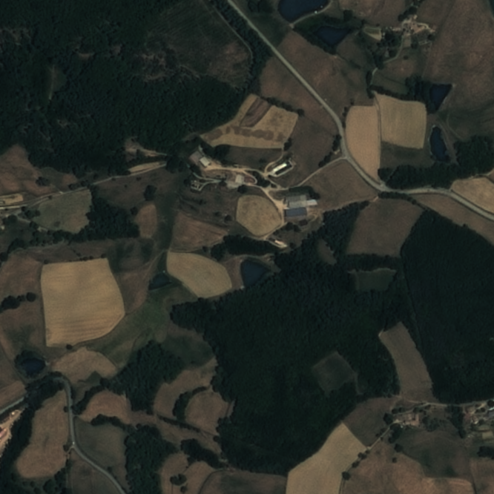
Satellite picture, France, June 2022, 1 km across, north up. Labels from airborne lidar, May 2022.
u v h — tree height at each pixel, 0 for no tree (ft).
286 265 43
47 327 0
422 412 25
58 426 0
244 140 0
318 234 33
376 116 0
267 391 45
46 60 29
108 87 70
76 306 0
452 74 0
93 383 0
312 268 60
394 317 33
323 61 0
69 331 0
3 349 0
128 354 0
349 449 0
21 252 0
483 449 59
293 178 0
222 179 26
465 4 0
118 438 0
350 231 58
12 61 61
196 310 75
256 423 30
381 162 0
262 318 62
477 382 53
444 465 0
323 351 46
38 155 51
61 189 0
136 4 85
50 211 0
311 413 40
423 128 0
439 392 39
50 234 35
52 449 0
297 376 49
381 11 0
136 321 0
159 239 0
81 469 0
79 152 71
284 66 0
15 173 0
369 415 0
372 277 0
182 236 0
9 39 52
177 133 63
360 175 0
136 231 47
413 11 42
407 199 34
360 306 73
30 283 0
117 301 0
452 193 0
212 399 0
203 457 68
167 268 0
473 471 0
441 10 0
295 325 69
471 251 51
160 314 0
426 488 0
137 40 72
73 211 0
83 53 43
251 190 0
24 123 41
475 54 0
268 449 35
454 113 0
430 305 34
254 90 62
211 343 46
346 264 62
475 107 0
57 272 0
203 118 52
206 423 0
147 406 50
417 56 0
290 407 47
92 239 71
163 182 0
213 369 0
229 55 0
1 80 52
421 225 46
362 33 38
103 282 0
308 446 38
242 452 44
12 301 77
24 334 0
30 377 34
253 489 0
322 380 0
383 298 61
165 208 0
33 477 0
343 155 0
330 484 0
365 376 33
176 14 0
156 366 60
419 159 0
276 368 50
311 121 0
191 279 0
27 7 58
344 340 56
